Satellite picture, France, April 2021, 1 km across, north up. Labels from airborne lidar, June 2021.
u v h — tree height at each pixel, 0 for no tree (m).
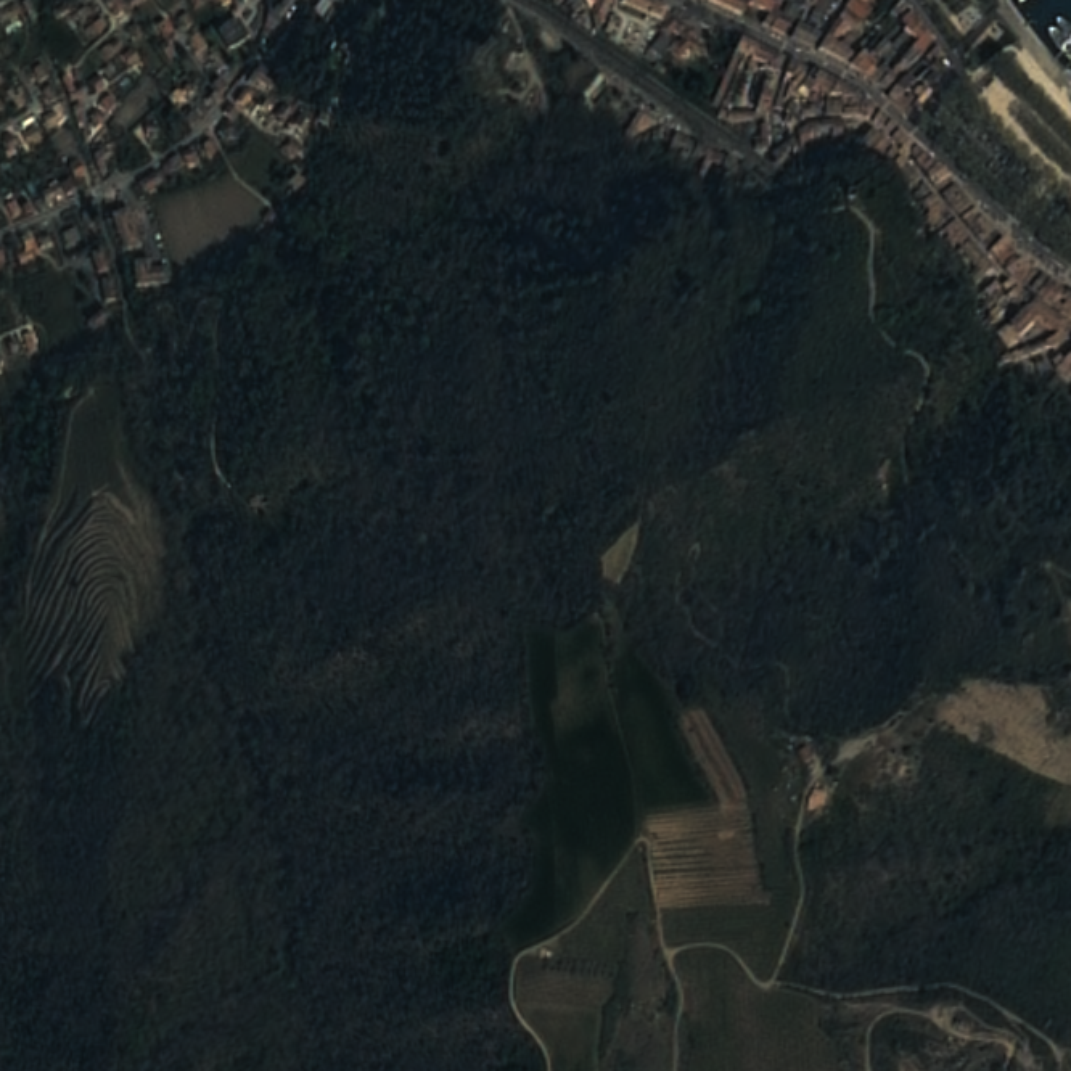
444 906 7
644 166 8
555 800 0
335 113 7
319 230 25
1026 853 8
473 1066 11
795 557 23
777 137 0
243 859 18
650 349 6
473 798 8
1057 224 31
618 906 0
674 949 0
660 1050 0
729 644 12
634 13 0
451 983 7
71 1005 9
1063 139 33
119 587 0
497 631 7
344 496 10
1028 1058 0
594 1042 0
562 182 10
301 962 21
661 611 18
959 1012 0
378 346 7
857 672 8
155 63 0
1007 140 22
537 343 7
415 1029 7
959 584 13
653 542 8
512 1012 0
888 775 7
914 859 8
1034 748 0
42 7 7
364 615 8
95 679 0
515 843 7
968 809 6
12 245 11
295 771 22
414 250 13
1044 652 8
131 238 0
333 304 24
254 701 21
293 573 12
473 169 17
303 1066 21
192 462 16
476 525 9
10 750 16
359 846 10
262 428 14
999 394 14
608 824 0
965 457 14
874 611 13
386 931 6
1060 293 0
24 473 20
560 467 8
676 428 6
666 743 0
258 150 0
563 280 16
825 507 12
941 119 28
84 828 9
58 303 0
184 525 27
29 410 15
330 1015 22
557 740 0
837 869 7
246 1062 7
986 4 8
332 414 11
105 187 0
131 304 12
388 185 6
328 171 12
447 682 9
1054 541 17
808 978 13
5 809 17
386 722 10
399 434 12
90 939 9
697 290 19
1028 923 9
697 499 7
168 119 7
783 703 11
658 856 0
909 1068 0
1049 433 7
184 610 21
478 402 7
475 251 10
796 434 9
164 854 22
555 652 0
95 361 15
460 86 21
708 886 0
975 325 8
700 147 0
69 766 11
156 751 12
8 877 8
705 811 0
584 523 8
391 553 11
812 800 0
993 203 26
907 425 9
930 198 0
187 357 15
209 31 12
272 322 14
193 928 7
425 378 8
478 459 9
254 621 7
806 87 0
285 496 8
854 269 6
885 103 0
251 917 22
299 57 24
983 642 7
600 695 0
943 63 0
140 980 6
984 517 12
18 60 0
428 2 18
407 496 10
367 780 10
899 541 17
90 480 0
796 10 0
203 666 30
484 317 6
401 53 14
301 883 17
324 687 6
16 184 6
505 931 0
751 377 9
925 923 18
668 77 7
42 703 17
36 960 15
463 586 10
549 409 13
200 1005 18
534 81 0
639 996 0
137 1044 8
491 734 7
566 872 0
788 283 7
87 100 0
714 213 11
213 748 19
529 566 14
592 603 10
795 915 0
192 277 10
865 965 16
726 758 0
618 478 12
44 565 0
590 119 12
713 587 15
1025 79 25
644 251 11
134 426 16
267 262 21
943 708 0
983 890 8
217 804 18
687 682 13
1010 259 0
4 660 10
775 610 10
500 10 10
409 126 16
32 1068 6
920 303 9
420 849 9
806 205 6
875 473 8
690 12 12
